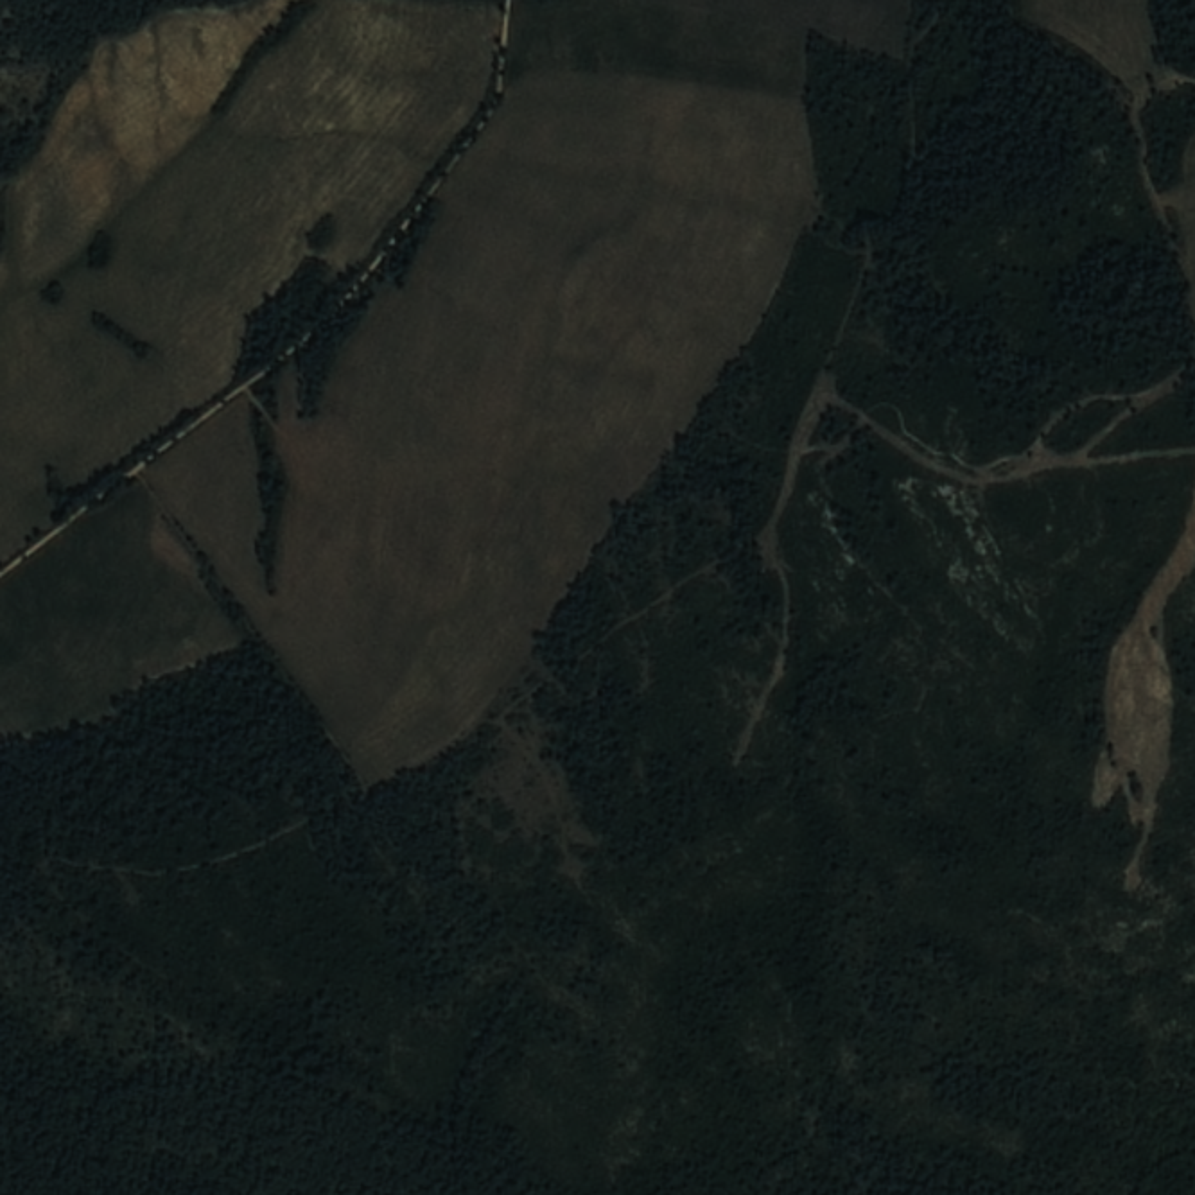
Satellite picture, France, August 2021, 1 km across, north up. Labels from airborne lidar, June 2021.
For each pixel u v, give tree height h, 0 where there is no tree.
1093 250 10
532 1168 6
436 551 0
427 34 0
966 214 11
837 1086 9
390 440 0
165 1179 15
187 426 11
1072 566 0
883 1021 9
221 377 0
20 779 15
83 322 0
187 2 10
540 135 0
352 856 7
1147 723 0
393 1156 13
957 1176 9
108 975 7
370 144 0
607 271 0
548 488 0
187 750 8
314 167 0
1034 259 0
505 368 0
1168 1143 13
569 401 0
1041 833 7
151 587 0
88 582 0
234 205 0
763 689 0
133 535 0
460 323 0
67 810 12
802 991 10
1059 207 9
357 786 8
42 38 12
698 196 0
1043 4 0
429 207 8
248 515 0
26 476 0
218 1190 15
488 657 0
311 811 7
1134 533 0
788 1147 9
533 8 0
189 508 0
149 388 0
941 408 0
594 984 10
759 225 0
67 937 8
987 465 0
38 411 0
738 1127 5
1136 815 0
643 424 0
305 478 0
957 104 12
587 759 9
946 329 14
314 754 12
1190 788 0
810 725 8
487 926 8
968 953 6
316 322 8
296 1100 11
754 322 0
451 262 0
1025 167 16
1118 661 0
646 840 6
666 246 0
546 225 0
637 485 0
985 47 6
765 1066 5
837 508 9
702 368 0
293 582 0
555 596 0
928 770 0
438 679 0
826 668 13
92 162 0
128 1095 15
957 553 0
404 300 0
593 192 0
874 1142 11
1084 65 11
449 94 0
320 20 0
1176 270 11
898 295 9
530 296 0
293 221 0
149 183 0
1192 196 0
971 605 0
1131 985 7
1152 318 7
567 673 9
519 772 0
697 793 7
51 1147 11
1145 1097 9
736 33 0
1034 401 6
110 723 7
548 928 7
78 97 0
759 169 0
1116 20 0
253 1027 7
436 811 10
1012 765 7
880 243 8
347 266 0
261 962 0
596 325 0
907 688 0
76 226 0
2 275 0
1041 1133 6
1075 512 0
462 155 7
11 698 0
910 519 0
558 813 0
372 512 0
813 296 0
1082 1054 7
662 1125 6
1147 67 0
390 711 0
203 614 0
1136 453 0
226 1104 10
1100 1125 7
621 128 0
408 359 0
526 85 0
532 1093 0
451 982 11
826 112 7
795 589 0
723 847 0
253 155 0
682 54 0
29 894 8
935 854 8
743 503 10
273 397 9
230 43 0
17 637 0
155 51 0
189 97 0
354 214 0
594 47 0
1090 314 16
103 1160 10
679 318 0
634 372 0
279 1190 13
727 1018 7
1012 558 0
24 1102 16
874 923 6
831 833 6
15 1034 8
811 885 8
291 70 0
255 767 7
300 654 0
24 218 0
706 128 0
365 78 0
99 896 7
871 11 0
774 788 10
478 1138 8
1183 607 0
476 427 0
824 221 7
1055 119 9
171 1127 12
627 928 0
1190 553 0
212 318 0
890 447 0
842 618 0
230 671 12
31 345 0
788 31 0
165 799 9
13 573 0
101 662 0
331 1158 10
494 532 0
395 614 0
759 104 0
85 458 0
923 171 12
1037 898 7
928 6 8
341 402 0
